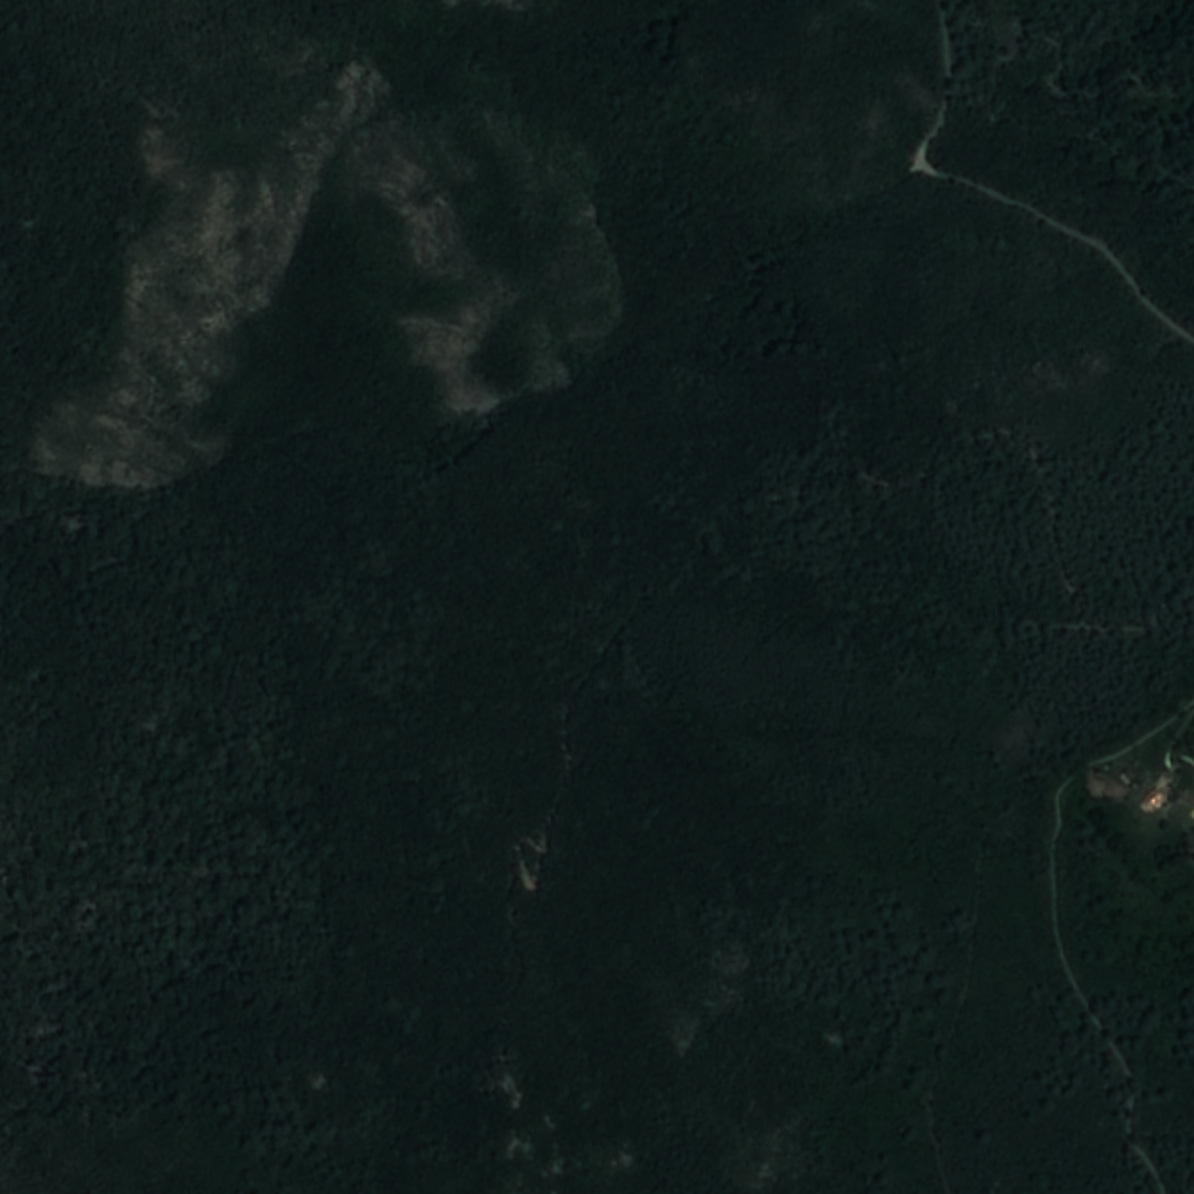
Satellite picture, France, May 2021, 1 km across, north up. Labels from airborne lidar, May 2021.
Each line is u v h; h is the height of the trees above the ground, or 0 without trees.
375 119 10
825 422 18
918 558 13
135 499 10
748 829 11
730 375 13
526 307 7
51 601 22
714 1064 7
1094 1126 7
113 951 18
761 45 7
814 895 12
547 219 8
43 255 13
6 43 12
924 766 7
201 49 10
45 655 23
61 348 12
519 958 12
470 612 13
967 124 8
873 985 19
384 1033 15
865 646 14
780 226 15
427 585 17
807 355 19
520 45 17
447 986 14
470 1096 12
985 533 17
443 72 16
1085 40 19
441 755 15
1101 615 17
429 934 16
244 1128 8
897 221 9
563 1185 7
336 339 13
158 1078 20
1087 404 6
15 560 15
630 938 9
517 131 8
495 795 13
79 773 19
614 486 14
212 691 17
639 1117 9
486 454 13
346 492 16
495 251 6
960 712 8
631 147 10
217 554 16
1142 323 7
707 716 9
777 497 16
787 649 11
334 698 15
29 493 14
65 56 10
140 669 14
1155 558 19
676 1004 6
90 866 16
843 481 11
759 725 11
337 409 13
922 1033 7
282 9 19
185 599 14
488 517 13
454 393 0
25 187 8
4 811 8
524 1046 9
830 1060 10
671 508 13
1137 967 8
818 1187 10
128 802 15
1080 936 8
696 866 13
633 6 14
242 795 20
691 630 12
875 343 10
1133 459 18
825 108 6
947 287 6
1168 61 17
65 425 0
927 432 9
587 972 13
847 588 11
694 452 15
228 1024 23
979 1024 7
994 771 8
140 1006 16
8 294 16
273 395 9
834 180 9
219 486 17
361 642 16
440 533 15
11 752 17
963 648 13
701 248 11
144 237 12
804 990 17
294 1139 20
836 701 12
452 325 0
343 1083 14
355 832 13
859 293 7
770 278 15
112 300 10
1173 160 15
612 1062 11
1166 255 16
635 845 12
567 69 13
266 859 14
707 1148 7
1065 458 13
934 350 7
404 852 13
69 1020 19
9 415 10
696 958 7
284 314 10
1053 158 15
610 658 14
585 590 16
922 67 7
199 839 7
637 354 13
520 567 13
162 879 18
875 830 6
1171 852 8
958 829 10
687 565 19
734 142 12
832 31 6
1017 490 13
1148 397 7
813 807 7
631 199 12
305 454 15
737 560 14
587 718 17
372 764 13
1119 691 17
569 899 13
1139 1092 17
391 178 0
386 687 19
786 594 18
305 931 13
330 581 20
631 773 14
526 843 11
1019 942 6
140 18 10
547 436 12
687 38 13
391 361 9
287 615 17
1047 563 16
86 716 16
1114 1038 16
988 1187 7
